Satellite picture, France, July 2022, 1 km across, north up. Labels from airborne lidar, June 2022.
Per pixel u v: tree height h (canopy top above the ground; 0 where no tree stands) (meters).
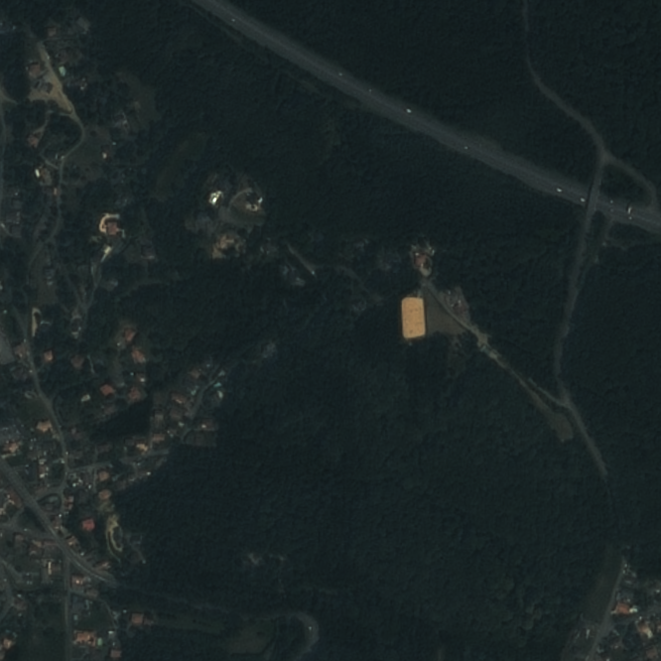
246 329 17
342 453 8
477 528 19
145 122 0
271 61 19
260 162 30
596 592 0
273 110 30
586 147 18
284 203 28
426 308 0
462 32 21
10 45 23
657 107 21
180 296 22
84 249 9
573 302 0
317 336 19
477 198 11
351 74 18
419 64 18
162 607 19
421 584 25
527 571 26
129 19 20
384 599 28
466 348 15
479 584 25
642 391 20
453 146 0
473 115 16
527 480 30
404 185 16
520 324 27
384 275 25
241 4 19
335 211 28
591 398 19
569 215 19
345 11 20
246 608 18
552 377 18
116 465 18
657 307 27
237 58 16
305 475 18
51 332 20
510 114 8
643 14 26
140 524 18
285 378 15
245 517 24
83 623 0
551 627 24
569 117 15
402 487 30
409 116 0
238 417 21
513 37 16
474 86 20
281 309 26
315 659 23
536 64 20
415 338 0
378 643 34
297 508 27
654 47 23
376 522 26
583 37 19
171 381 16
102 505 0
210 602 20
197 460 18
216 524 29
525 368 19
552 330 29
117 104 16
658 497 24
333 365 18
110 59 21
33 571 0
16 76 28
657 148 30
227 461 22
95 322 18
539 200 15
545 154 14
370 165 23
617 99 22
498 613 30
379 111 0
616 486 25
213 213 14
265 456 22
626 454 20
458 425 27
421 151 12
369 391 29
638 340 25
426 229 17
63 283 9
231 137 27
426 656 32
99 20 21
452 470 30
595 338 30
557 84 18
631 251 12
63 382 25
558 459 14
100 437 9
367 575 19
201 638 18
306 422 25
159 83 19
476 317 22
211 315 29
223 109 31
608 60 23
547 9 18
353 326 16
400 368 27
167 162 16
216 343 12
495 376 24
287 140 30
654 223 0
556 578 24
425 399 25
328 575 18
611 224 0
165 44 24
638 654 6
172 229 23
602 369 23
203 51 22
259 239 19
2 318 0
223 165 22
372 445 27
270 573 11
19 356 7
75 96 19
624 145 22
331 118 18
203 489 20
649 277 26
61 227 0
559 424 0
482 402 28
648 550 25
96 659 0
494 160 0
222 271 17
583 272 12
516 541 19
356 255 9
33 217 25
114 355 8
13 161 9
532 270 12
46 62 0
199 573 21
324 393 22
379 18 20
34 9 24
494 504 28
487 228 14
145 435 7
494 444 21
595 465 14
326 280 20
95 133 8
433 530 30
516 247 30
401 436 30
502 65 19
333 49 24
